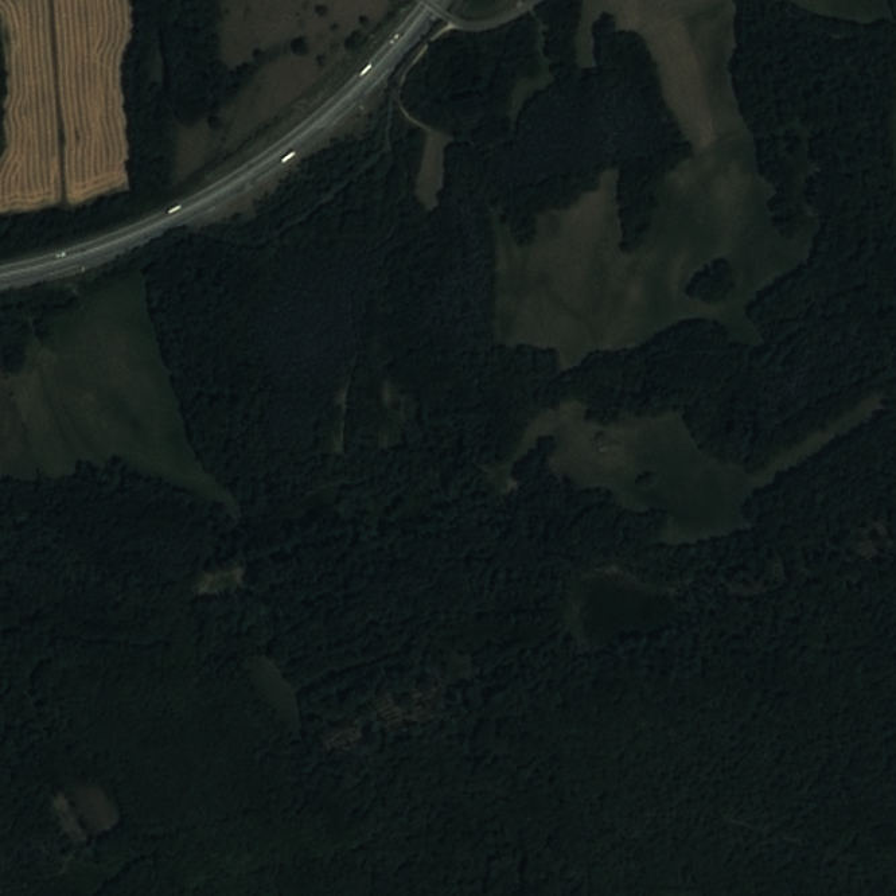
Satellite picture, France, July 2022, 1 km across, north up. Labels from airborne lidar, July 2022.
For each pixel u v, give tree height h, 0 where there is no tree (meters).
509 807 22
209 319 18
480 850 24
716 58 0
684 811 16
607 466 0
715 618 23
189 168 0
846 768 14
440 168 0
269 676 0
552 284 0
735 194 0
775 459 15
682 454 0
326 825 20
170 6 20
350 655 13
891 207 17
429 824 17
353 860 25
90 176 0
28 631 12
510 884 18
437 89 17
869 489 18
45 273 0
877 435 20
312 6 0
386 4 0
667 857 15
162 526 17
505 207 8
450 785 20
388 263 15
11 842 19
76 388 0
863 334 23
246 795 11
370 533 22
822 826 19
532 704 17
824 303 19
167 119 17
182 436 0
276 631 21
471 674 0
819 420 22
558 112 11
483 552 24
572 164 10
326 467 16
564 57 20
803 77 20
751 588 22
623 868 15
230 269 24
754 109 21
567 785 19
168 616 21
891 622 17
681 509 0
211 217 0
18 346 21
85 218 12
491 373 18
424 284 13
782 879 17
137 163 17
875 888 17
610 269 0
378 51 0
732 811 9
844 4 0
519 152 10
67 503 19
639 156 9
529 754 20
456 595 22
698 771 13
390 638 15
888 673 21
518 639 8
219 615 27
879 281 22
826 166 18
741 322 0
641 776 9
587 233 0
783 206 19
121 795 15
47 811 20
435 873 22
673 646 27
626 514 15
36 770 24
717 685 21
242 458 22
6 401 0
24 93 0
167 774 11
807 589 20
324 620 26
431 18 0
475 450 26
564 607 19
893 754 16
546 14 14
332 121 0
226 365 20
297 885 21
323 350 8
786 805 14
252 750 15
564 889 14
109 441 0
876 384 13
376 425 19
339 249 8
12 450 0
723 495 0
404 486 19
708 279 16
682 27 0
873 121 17
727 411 10
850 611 19
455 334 24
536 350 10
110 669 15
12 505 17
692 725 16
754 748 14
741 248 0
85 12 0
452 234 18
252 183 0
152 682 12
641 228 6
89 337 0
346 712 24
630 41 14
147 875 20
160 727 12
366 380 15
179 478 0
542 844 18
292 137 0
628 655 22
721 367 20
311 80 0
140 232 0
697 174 0
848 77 20
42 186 0
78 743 14
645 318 0
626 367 24
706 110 0
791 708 19
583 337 0
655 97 18
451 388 19
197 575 14
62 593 13
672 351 26
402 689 23
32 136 0
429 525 24
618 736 19
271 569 29
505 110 16
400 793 7
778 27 17
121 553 15
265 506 25
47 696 14
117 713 12
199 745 9
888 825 18
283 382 9
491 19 0
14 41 0
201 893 19
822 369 19
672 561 9
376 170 10
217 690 10
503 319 0
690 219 0
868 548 25
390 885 22
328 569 23
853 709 16
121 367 0
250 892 20
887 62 15
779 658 25
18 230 17
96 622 10
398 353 26
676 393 21
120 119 0
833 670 19
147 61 17
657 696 20
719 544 15
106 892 16
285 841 18
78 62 0
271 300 10
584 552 22
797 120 16
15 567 24
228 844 15
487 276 14
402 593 26
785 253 0
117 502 17
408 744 20
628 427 0
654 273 0
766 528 25
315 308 9
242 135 0
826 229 18
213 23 6
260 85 0
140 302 0
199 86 21
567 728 18
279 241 9
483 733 26
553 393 15
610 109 8
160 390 0
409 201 11
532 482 24
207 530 16
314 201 9
